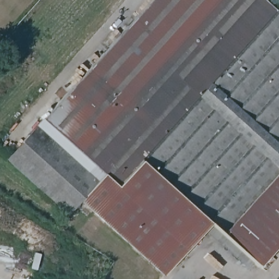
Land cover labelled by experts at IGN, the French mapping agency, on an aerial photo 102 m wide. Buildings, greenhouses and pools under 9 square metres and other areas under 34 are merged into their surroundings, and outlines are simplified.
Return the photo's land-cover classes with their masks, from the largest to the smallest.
<instances>
[{"label":"building","instance_id":"1","mask_svg":"<svg viewBox=\"0 0 279 279\"><path fill-rule=\"evenodd\" d=\"M90 68L81 75V82L74 89L65 90L60 104L49 111L47 118L41 119L39 128L29 134L26 142L13 146L4 145V141L0 139V157L4 160L10 159L12 165L41 191L52 201L57 202V210L66 211L69 206L77 208L88 203L166 275L202 238L210 226H214L259 269H264L265 262L279 251V0H154L113 48L106 46L98 59L89 61ZM95 230L104 225L94 215L87 222Z\"/></svg>","mask_w":279,"mask_h":279},{"label":"herbaceous vegetation","instance_id":"2","mask_svg":"<svg viewBox=\"0 0 279 279\"><path fill-rule=\"evenodd\" d=\"M118 0H0V41L8 40L10 45L15 46L19 50V62L22 63L21 68L13 65L10 72L0 75V139L4 141V136L10 134L12 126L16 123L15 112L21 110L25 102L34 105L39 97L45 95L49 85L83 48L84 41L92 38L106 22L112 5ZM0 183L8 190L19 192L24 199H31L39 208L46 204L40 198L41 191L12 165L10 159L4 160L0 157ZM66 211L70 220H73L74 215L80 211L94 215L104 225L95 230L87 222L77 233L106 251L110 262H116L113 270L107 269L105 279H159L166 275L88 203L77 208L69 206ZM0 229L28 242V251L14 255V259L20 260L19 263H15V267L27 270L33 266V269L37 270L39 265H43V255L53 252V247H56L57 243L54 233L39 228L27 219L17 223L0 210Z\"/></svg>","mask_w":279,"mask_h":279},{"label":"impervious surface","instance_id":"3","mask_svg":"<svg viewBox=\"0 0 279 279\"><path fill-rule=\"evenodd\" d=\"M154 0H118L112 5L106 22L92 38L84 41L83 48L49 85L45 95L39 97L34 105L25 102L21 110L15 112L16 123L12 126L10 134L4 136V145L13 146L26 142L29 134L39 128L41 119L47 118L49 111L60 104L65 90L74 89L81 82V75L90 68L89 61L98 59L106 46L113 48ZM264 269H259L214 226H210L202 238L166 275L159 279H279V251L265 262ZM20 260L14 259V255L13 247L0 246V279H29L33 275L27 270L15 267V263H19Z\"/></svg>","mask_w":279,"mask_h":279},{"label":"deciduous trees","instance_id":"4","mask_svg":"<svg viewBox=\"0 0 279 279\"><path fill-rule=\"evenodd\" d=\"M19 50L15 46L10 45L8 40L0 41V75L10 72L13 65L21 68L22 63L19 62ZM40 198L46 204L39 208L31 199H24L19 192L8 190L0 183V210L17 223L27 219L39 228L54 233L57 243L56 247H53V252L43 255V265H39L37 270L33 269V266L27 270L33 275L29 279H105L107 269L113 270L116 262H110L106 251L77 233L87 222L94 215L80 211L74 215L73 220H70L66 211L57 210V202L52 201L41 191ZM13 247L14 255L28 251V242L0 229V246Z\"/></svg>","mask_w":279,"mask_h":279}]
</instances>
